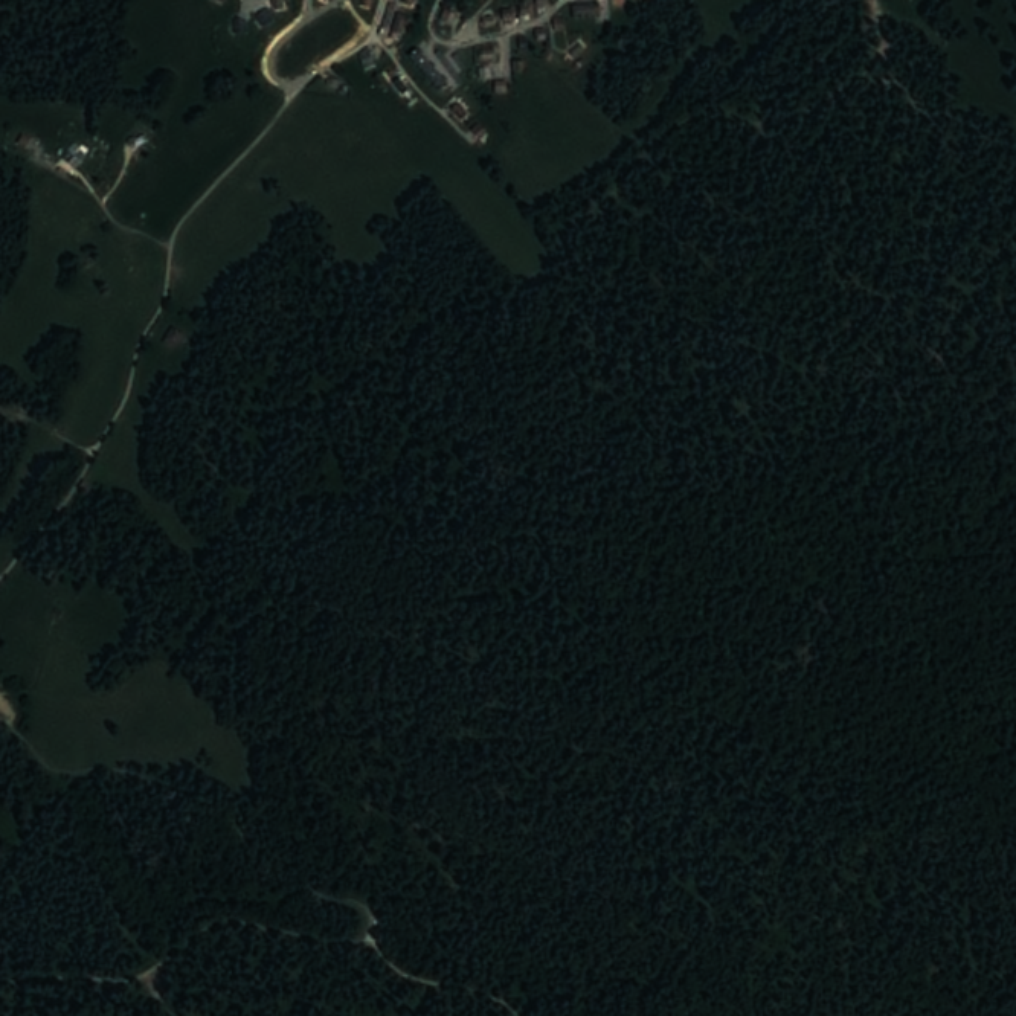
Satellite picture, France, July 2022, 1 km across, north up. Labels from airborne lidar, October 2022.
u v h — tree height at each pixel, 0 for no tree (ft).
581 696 71
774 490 53
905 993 29
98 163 0
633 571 83
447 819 37
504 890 65
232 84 91
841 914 84
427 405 126
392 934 48
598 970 63
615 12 0
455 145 0
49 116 0
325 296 112
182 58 0
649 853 37
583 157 0
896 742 33
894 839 52
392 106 0
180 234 0
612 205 56
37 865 71
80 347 62
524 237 0
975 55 0
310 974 25
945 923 100
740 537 48
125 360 0
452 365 103
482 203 0
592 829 81
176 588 32
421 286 76
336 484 0
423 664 74
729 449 58
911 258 71
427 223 67
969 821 31
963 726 62
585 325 117
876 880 36
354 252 0
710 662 44
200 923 64
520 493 87
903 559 79
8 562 0
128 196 0
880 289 57
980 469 71
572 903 71
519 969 57
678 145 24
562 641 79
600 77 56
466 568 88
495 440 93
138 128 0
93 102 79
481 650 62
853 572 34
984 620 40
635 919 60
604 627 84
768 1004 43
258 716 84
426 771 73
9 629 0
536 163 0
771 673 59
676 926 58
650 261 34
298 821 60
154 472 63
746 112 26
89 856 72
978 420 85
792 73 83
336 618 83
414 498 91
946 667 63
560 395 72
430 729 71
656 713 67
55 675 0
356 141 0
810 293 69
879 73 45
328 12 0
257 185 0
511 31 0
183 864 88
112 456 0
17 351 0
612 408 67
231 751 0
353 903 0
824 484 72
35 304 0
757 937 62
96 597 0
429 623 39
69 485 42
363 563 83
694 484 52
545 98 0
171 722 0
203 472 80
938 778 53
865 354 82
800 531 41
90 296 0
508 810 51
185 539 0
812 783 60
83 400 0
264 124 0
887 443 52
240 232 0
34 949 86
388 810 42
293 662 88
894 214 95
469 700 77
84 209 0
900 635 60
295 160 0
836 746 43
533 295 74
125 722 0
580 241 58
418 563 74
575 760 64
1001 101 0
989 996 28
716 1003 39
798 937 60
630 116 51
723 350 89
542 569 94
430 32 0
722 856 32
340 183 0
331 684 76
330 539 99
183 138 0
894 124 36
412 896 59
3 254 91
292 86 0
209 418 100
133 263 0
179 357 0
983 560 72
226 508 111
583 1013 29
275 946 89
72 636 0
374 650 70
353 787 62
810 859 56
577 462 114
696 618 51
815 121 34
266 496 77
